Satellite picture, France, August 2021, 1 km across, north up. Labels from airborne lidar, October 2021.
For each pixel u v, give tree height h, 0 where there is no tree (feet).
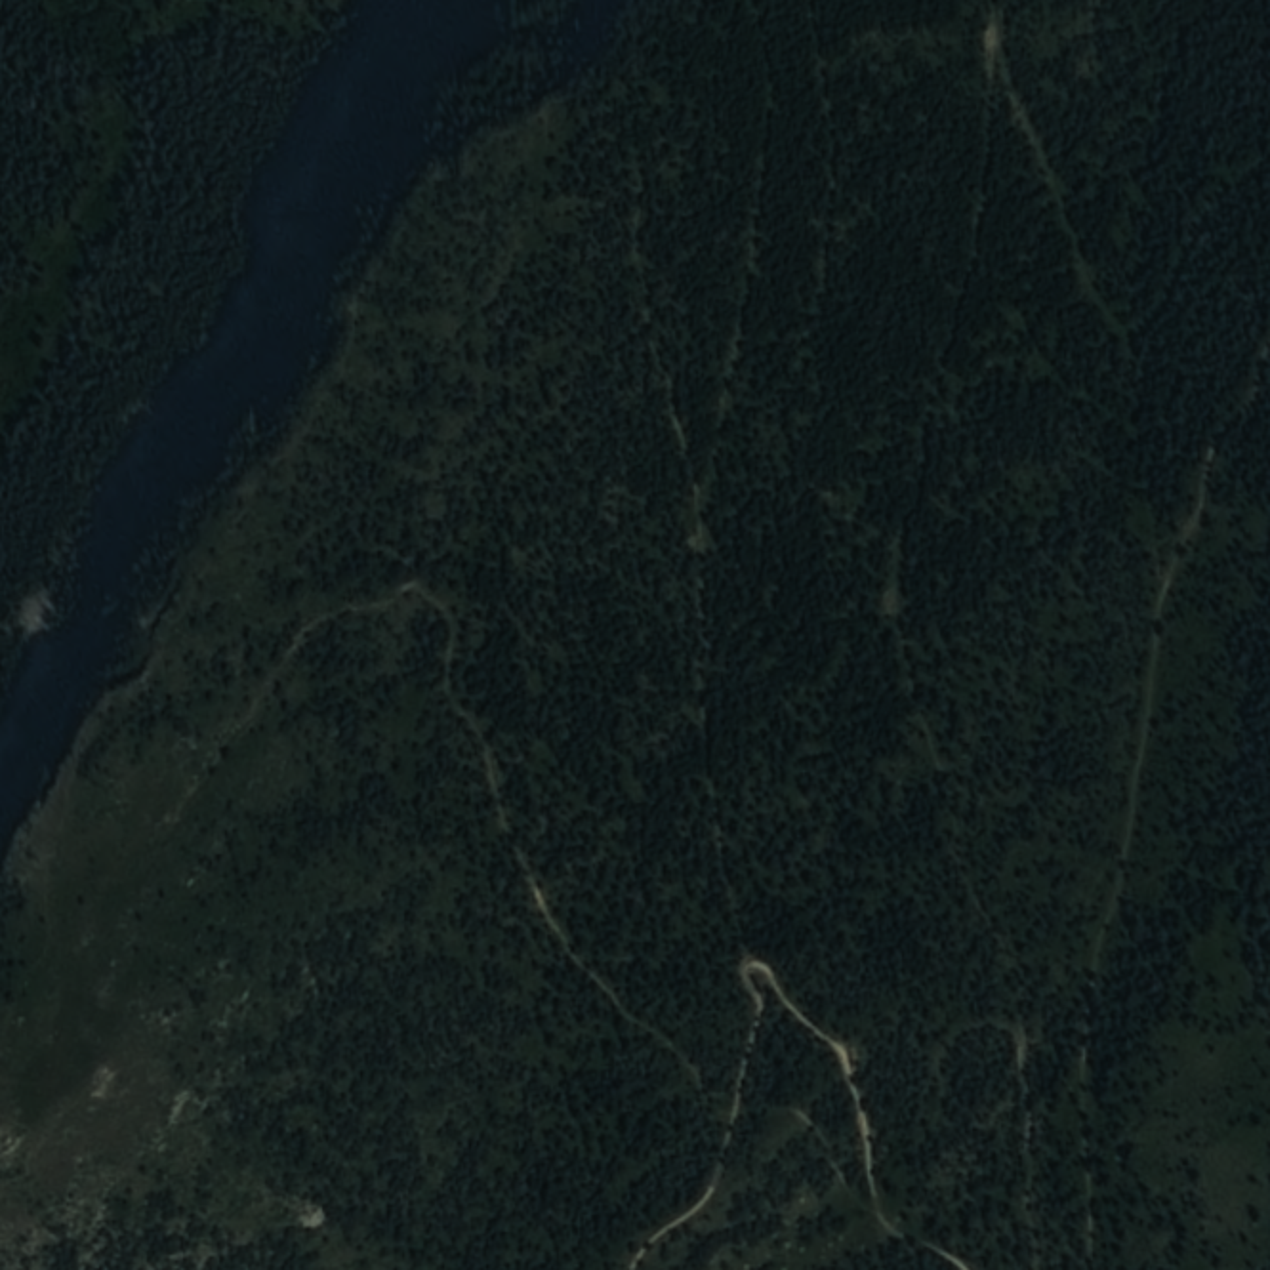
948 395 66
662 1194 34
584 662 31
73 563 35
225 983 0
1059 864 36
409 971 18
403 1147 20
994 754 31
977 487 43
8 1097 0
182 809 0
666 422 36
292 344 31
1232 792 32
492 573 42
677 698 39
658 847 45
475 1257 29
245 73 36
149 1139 0
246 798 0
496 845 24
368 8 35
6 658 34
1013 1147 31
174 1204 21
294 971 29
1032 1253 34
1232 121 27
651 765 36
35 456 49
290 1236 32
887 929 29
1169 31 52
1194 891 57
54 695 23
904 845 46
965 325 55
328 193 20
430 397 49
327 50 53
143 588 26
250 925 0
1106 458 38
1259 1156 0
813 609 53
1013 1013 30
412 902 24
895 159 40
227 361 30
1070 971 36
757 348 32
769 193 44
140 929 0
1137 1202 61
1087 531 33
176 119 56
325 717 20
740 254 39
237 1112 19
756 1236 28
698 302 42
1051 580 54
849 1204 0
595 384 28
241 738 0
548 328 21
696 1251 31
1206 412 37
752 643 35
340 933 28
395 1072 31
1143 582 36
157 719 37
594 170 55
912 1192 27
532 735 41
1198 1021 53
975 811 29
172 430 50
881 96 47
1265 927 81
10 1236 0
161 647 0
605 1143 47
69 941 0
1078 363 34
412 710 0
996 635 32
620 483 34
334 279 25
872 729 68
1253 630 30
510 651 46
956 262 48
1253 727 45
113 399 43
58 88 40
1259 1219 66
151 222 60
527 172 28
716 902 44
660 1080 25
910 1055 30
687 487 40
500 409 24
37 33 41
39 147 36
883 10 44
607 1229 31
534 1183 46
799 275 46
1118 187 37
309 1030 27
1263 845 44
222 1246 22
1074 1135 23
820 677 51
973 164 41
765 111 55
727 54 53
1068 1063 67
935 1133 28
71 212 45
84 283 62
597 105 35
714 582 40
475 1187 24
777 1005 33
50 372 54
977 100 25
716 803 33
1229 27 41
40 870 0
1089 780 39
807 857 29
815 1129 24
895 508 48
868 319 65
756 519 56
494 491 38
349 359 0
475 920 33
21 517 38
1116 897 0
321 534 25
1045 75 27
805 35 50
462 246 28
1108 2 32
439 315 0
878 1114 31
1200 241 65
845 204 41
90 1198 0
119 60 31
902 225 42
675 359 28
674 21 39
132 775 0
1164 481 35
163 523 27
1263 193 27
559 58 43
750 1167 21
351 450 40
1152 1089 25
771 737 56
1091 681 34
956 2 50
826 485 51
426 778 37
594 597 45
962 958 23
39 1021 0
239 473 19
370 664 47
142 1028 0
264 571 26
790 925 52
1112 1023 40
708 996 25
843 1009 25
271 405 29
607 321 22
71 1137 0
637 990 30
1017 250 31
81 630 28
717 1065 25
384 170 67
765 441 28
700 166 47
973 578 54
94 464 35
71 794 0
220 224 47
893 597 0
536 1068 25
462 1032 25
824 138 41
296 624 32
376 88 30
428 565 39
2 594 47
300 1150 19
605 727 40
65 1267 28
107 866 0
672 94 19
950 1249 27
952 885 39
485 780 22
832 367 47
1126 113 36
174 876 0
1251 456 51
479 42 21
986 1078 24
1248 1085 21
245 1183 0
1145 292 25
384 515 41
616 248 26
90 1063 0
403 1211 27
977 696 30
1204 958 0
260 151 42
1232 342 39
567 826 52
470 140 71
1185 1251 72
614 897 31
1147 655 28
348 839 22
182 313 54
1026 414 46
